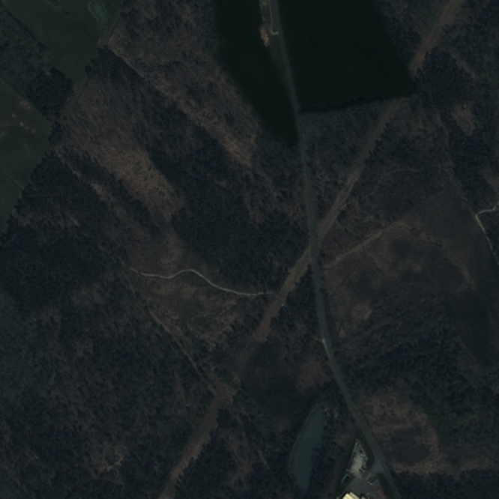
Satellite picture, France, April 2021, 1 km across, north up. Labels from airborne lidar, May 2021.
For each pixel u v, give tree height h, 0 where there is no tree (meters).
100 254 21
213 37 12
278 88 0
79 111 10
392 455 0
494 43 15
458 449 6
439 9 11
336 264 0
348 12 0
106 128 14
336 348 8
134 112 15
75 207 28
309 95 0
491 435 13
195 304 0
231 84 11
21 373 16
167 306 0
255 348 0
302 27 0
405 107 8
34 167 0
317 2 0
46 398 13
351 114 12
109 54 15
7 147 0
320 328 11
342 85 0
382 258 0
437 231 0
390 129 12
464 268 0
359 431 0
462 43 19
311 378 0
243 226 18
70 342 23
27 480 21
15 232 15
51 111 19
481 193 21
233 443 11
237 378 0
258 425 15
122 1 0
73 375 8
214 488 18
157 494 14
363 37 0
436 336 12
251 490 9
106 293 18
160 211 17
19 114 0
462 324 0
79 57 0
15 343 18
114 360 22
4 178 0
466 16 13
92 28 0
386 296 8
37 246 19
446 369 14
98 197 25
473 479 17
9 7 0
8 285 14
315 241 0
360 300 0
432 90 20
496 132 18
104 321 25
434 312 6
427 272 0
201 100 18
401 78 0
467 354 10
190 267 0
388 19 17
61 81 20
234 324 0
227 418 23
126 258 24
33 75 22
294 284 0
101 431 23
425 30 14
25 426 13
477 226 0
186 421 12
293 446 10
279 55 0
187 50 9
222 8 0
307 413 6
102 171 21
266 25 0
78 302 9
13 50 19
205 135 17
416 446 8
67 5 0
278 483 13
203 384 13
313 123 18
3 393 15
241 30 0
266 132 14
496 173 20
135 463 19
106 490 14
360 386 15
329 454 10
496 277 0
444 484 17
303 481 0
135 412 10
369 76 0
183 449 18
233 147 0
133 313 10
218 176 17
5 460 19
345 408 20
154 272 0
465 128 0
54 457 19
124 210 0
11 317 16
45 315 10
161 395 12
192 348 7
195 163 13
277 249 15
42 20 0
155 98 9
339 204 0
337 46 0
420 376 14
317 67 0
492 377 13
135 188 0
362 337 11
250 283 12
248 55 0
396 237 0
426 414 9
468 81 25
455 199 0
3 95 0
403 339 12
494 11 21
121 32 0
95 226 22
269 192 12
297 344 7
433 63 21
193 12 6
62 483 21
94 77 18
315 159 10
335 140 12
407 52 23
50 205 27
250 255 17
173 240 0
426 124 12
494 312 0
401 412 0
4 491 18
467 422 8
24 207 22
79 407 7
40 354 8
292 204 10
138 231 0
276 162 15
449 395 8
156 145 13
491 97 15
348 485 0
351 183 0
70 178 24
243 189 17
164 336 13
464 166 11
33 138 0
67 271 17
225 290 0
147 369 21
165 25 12
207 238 21
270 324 0
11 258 16
